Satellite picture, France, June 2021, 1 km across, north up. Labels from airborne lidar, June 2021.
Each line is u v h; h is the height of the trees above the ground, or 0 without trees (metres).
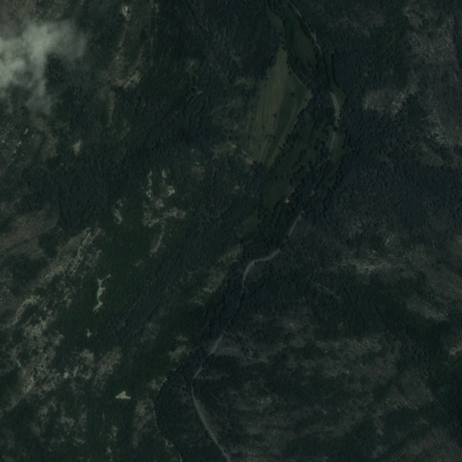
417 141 8
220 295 10
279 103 0
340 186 13
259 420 0
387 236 0
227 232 14
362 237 7
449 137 0
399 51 13
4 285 0
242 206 12
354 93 13
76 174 16
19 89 0
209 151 13
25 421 7
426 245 9
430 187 19
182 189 8
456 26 6
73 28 0
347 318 11
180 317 13
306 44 0
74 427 7
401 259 0
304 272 7
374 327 10
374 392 6
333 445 6
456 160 0
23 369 0
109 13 7
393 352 6
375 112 6
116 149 8
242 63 7
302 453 7
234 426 8
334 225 12
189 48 16
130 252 8
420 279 6
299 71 6
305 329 6
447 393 11
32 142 0
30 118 0
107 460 7
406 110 10
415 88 0
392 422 6
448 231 7
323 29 10
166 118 16
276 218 12
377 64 10
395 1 10
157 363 10
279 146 0
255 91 10
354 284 8
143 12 0
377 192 14
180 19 15
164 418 7
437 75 0
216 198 11
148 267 9
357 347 0
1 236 0
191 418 6
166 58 6
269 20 12
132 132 6
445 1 7
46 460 8
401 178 12
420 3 7
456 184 17
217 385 7
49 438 8
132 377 11
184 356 10
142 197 8
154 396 8
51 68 10
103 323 10
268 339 7
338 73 14
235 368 6
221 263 8
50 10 0
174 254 11
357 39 8
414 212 13
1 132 0
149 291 11
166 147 16
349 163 10
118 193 10
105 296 8
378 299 11
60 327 6
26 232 0
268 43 13
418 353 7
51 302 7
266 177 13
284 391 7
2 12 0
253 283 7
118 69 0
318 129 9
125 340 12
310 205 14
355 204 5
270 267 10
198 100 10
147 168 13
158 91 8
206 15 11
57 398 6
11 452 6
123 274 8
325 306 13
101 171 13
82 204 13
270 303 13
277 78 0
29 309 7
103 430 5
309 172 6
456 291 0
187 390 7
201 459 6
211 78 12
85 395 8
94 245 5
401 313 8
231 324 8
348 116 13
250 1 14
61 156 7
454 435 8
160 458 6
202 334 10
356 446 6
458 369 5
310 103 10
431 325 10
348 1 8
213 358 9
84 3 7
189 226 11
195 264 6
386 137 10
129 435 11
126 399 9
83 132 11
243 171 8
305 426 6
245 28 15
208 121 13
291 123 0
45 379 5
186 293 9
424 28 5
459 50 8
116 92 10
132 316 12
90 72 9
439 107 0
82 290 6
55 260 0
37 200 11
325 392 6
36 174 10
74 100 12
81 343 10
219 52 6
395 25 7
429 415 8
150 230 7
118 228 7
